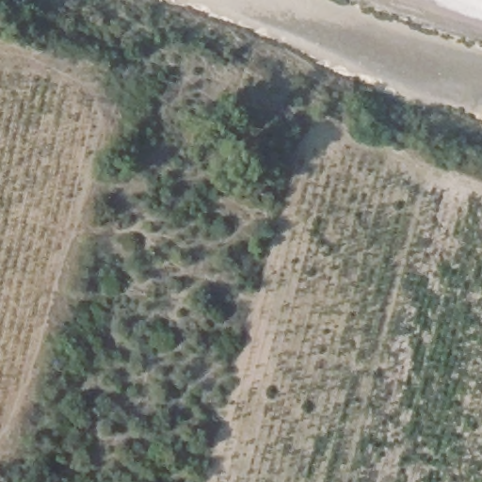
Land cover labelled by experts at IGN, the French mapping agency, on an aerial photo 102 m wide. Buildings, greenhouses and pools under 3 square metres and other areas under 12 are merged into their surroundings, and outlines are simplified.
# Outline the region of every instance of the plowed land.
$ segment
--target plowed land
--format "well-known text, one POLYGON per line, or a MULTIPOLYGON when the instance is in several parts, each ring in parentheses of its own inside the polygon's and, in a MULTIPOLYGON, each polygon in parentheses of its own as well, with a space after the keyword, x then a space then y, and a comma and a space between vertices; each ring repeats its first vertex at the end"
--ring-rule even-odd
POLYGON ((459 171, 435 168, 414 151, 367 145, 354 139, 352 145, 358 145, 363 151, 384 153, 386 160, 380 169, 380 175, 384 177, 390 171, 403 171, 405 177, 420 185, 420 188, 437 188, 442 190, 442 194, 448 192, 450 196, 461 201, 469 200, 471 194, 476 194, 482 201, 482 181, 463 175, 459 171))
POLYGON ((350 128, 343 132, 328 122, 313 122, 309 134, 303 141, 305 154, 311 160, 303 166, 303 173, 313 173, 313 158, 326 153, 329 143, 341 139, 341 136, 350 136, 350 128))

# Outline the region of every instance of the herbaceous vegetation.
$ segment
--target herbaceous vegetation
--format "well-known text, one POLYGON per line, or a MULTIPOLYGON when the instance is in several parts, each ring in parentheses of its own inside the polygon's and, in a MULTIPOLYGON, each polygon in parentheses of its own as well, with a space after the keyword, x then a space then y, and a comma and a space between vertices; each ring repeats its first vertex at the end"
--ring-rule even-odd
POLYGON ((168 45, 147 56, 145 62, 145 73, 153 73, 153 64, 181 68, 183 73, 179 83, 169 87, 164 94, 154 92, 154 98, 160 100, 162 105, 162 120, 175 120, 175 132, 183 134, 186 149, 181 149, 179 153, 188 156, 194 166, 200 166, 198 153, 201 145, 215 143, 215 139, 209 136, 209 130, 215 120, 209 120, 209 115, 213 115, 217 107, 215 100, 220 98, 224 90, 237 92, 235 105, 241 115, 247 115, 247 124, 243 130, 250 132, 252 136, 262 136, 265 151, 269 153, 267 168, 281 169, 281 173, 286 173, 288 164, 294 162, 294 153, 301 145, 297 136, 292 134, 292 126, 286 117, 290 105, 294 105, 294 100, 290 98, 292 88, 288 79, 282 75, 262 81, 256 83, 254 79, 250 79, 250 70, 245 64, 215 64, 213 53, 205 49, 203 43, 168 45))
POLYGON ((168 320, 179 328, 183 324, 183 316, 179 311, 185 305, 186 297, 200 290, 205 282, 224 284, 228 281, 228 273, 209 273, 209 267, 213 264, 207 256, 198 264, 190 265, 185 264, 177 252, 171 250, 168 260, 154 262, 154 267, 177 267, 177 271, 183 277, 194 277, 194 282, 186 286, 185 290, 169 294, 171 309, 168 311, 168 320))
POLYGON ((239 224, 235 232, 217 239, 207 239, 198 235, 194 239, 196 247, 215 249, 224 243, 226 247, 230 247, 249 235, 256 220, 269 218, 269 209, 254 207, 249 201, 239 200, 239 192, 232 190, 232 196, 218 200, 217 213, 237 217, 239 224))
POLYGON ((53 352, 60 350, 60 343, 64 341, 64 337, 58 335, 58 328, 72 318, 70 305, 75 305, 83 299, 98 299, 102 303, 107 301, 107 297, 100 294, 100 290, 87 292, 88 267, 92 265, 94 258, 109 260, 113 254, 120 254, 122 258, 134 256, 132 250, 124 249, 119 243, 120 235, 126 233, 141 233, 145 237, 147 247, 156 247, 160 241, 171 241, 173 237, 177 237, 175 230, 151 232, 151 222, 156 215, 149 211, 145 201, 139 201, 137 207, 132 207, 137 215, 136 224, 124 228, 120 228, 119 224, 102 226, 102 232, 90 235, 79 247, 79 269, 72 279, 72 286, 66 292, 56 292, 55 303, 49 316, 49 329, 43 339, 53 352))
POLYGON ((36 377, 36 401, 34 405, 23 407, 21 410, 21 446, 13 459, 24 459, 24 469, 32 465, 36 461, 32 454, 32 442, 36 437, 36 431, 45 427, 56 427, 55 416, 60 409, 49 403, 56 392, 47 382, 49 373, 40 373, 36 377))

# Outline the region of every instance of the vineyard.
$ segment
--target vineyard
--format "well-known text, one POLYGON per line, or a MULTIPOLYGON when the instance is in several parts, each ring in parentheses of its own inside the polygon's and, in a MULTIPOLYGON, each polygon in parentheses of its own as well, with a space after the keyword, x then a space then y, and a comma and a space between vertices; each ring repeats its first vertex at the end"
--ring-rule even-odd
POLYGON ((94 162, 98 158, 98 151, 107 149, 117 136, 122 115, 117 105, 107 102, 102 87, 109 66, 107 62, 92 62, 87 58, 72 62, 70 58, 56 58, 47 51, 38 51, 17 41, 0 40, 0 461, 13 459, 21 446, 21 410, 23 407, 34 405, 36 401, 36 377, 40 373, 49 373, 47 360, 53 352, 43 339, 49 329, 49 316, 55 303, 56 292, 66 292, 72 286, 72 279, 79 269, 79 247, 90 235, 102 232, 102 226, 92 224, 92 203, 96 196, 92 192, 92 181, 96 179, 94 162))
POLYGON ((354 139, 350 136, 341 136, 341 139, 329 143, 326 153, 313 158, 313 173, 303 173, 292 177, 294 192, 288 196, 288 205, 284 207, 284 218, 290 220, 290 228, 282 233, 282 243, 269 250, 269 256, 265 258, 264 286, 256 292, 254 301, 250 303, 249 343, 235 360, 239 384, 228 397, 228 405, 217 412, 230 427, 230 437, 217 442, 217 446, 213 448, 213 456, 222 461, 222 471, 213 474, 207 482, 482 482, 482 201, 476 194, 471 194, 469 200, 461 201, 450 196, 448 192, 442 194, 442 190, 437 188, 420 188, 420 185, 405 177, 403 171, 390 171, 384 177, 380 175, 380 169, 386 160, 384 153, 363 151, 358 145, 352 145, 354 139))

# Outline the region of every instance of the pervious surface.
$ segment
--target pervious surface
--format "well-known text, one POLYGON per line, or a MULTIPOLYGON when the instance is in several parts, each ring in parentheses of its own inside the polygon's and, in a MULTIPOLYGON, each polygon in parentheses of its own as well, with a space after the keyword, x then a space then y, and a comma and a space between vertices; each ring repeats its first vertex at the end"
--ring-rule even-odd
POLYGON ((382 21, 373 15, 367 15, 361 11, 360 6, 341 6, 331 0, 164 0, 175 6, 200 9, 209 17, 252 28, 256 34, 265 38, 290 43, 316 58, 318 64, 326 66, 329 70, 346 77, 358 77, 369 85, 377 85, 380 90, 401 96, 405 102, 461 107, 467 113, 473 113, 476 119, 482 120, 482 0, 365 0, 371 8, 378 11, 397 13, 401 19, 410 19, 442 34, 450 34, 450 40, 442 40, 437 36, 427 36, 418 30, 412 30, 407 24, 382 21))

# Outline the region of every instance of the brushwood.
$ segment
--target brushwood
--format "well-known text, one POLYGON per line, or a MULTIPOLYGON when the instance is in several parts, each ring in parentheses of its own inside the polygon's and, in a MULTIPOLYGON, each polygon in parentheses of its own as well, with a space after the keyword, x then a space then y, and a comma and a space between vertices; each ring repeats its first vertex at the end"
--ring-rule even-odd
POLYGON ((369 113, 373 128, 409 134, 418 141, 424 141, 426 145, 431 139, 441 137, 448 145, 448 149, 456 151, 458 147, 471 147, 476 153, 482 154, 482 120, 476 119, 473 113, 467 113, 461 107, 405 102, 401 96, 380 90, 377 85, 369 85, 358 77, 346 77, 329 70, 326 66, 318 64, 316 58, 290 43, 265 38, 256 34, 252 28, 209 17, 200 9, 175 6, 164 0, 107 0, 109 9, 115 9, 119 17, 126 19, 136 30, 143 30, 145 34, 149 34, 153 26, 154 30, 160 32, 162 28, 166 30, 171 26, 194 26, 201 23, 205 24, 207 30, 217 30, 224 34, 228 40, 233 41, 235 47, 247 43, 252 51, 245 55, 245 64, 250 70, 250 79, 254 79, 256 83, 262 81, 264 72, 258 68, 258 58, 277 58, 284 62, 286 70, 290 73, 309 73, 318 83, 314 88, 316 94, 326 94, 326 87, 329 85, 341 85, 345 94, 352 92, 354 98, 369 113))
POLYGON ((151 115, 151 100, 154 98, 154 92, 164 94, 169 87, 179 83, 183 73, 181 68, 153 64, 153 73, 145 73, 145 62, 134 60, 134 66, 126 68, 109 66, 102 87, 107 102, 117 105, 122 115, 117 136, 128 137, 132 132, 136 132, 137 122, 151 115))
POLYGON ((450 40, 450 34, 442 34, 410 19, 401 19, 397 13, 378 11, 371 8, 365 0, 331 0, 341 6, 360 6, 361 11, 367 15, 373 15, 382 21, 407 24, 412 30, 418 30, 427 36, 437 36, 442 40, 450 40))

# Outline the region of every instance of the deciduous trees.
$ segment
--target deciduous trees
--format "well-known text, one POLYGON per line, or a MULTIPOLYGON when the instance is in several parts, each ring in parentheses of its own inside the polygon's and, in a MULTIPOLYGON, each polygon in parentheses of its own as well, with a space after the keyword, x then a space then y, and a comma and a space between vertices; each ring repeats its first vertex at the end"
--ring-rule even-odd
POLYGON ((309 73, 290 73, 286 70, 284 62, 277 58, 258 58, 258 68, 264 72, 262 81, 282 75, 288 79, 292 88, 290 98, 294 100, 294 105, 290 105, 286 117, 292 126, 292 134, 297 136, 301 145, 294 153, 294 162, 288 164, 286 173, 281 173, 281 169, 267 168, 269 153, 265 151, 262 136, 252 136, 250 132, 243 130, 247 124, 247 115, 241 115, 235 105, 237 92, 224 90, 220 98, 215 100, 217 107, 213 115, 209 115, 209 120, 215 120, 209 130, 209 136, 215 139, 215 143, 201 145, 198 153, 200 166, 194 166, 188 156, 179 153, 181 149, 186 149, 183 134, 175 132, 175 120, 162 120, 162 105, 160 100, 154 98, 151 100, 151 115, 137 122, 136 132, 132 132, 128 137, 117 136, 107 149, 98 151, 98 158, 94 162, 96 179, 92 181, 92 192, 96 196, 92 203, 92 224, 102 226, 119 224, 120 228, 124 228, 136 224, 137 215, 132 207, 137 207, 139 201, 145 201, 149 211, 156 215, 151 222, 151 232, 175 230, 177 237, 173 237, 171 241, 160 241, 156 247, 147 247, 145 237, 141 233, 126 233, 120 235, 119 243, 124 249, 132 250, 134 256, 122 258, 120 254, 113 254, 109 260, 94 258, 92 265, 88 267, 87 292, 100 290, 100 294, 107 297, 107 301, 102 303, 98 299, 83 299, 75 305, 70 305, 72 318, 58 328, 58 335, 64 337, 64 341, 60 343, 60 350, 53 352, 47 360, 49 373, 47 382, 56 392, 49 403, 60 409, 55 416, 56 427, 45 427, 36 431, 36 437, 32 442, 32 454, 36 461, 32 465, 24 469, 24 459, 13 459, 0 461, 0 482, 207 482, 213 474, 222 471, 222 461, 213 456, 213 448, 217 446, 217 442, 230 437, 230 427, 217 412, 228 405, 228 397, 239 384, 235 360, 249 343, 250 303, 254 301, 256 292, 264 286, 265 258, 269 256, 269 250, 282 243, 282 233, 290 228, 290 220, 284 218, 284 207, 288 205, 288 196, 294 192, 292 177, 303 173, 303 166, 311 160, 305 154, 303 141, 309 134, 313 122, 328 122, 343 132, 350 128, 350 136, 354 139, 367 145, 414 151, 435 168, 459 171, 463 175, 482 181, 482 154, 476 153, 471 147, 458 147, 456 151, 448 149, 448 145, 441 137, 431 139, 426 145, 424 141, 418 141, 409 134, 373 128, 369 113, 354 98, 352 92, 345 94, 341 85, 329 85, 326 87, 326 94, 316 94, 314 88, 318 83, 309 73), (239 192, 239 200, 249 201, 254 207, 269 209, 269 218, 256 220, 249 235, 230 247, 226 247, 224 243, 215 249, 196 247, 194 239, 198 235, 207 239, 217 239, 235 232, 239 224, 237 217, 217 213, 218 200, 232 196, 232 190, 239 192), (154 267, 154 262, 168 260, 171 250, 177 252, 185 264, 190 265, 198 264, 207 256, 213 264, 209 267, 209 273, 228 273, 228 281, 224 284, 205 282, 200 290, 186 297, 185 305, 179 311, 183 316, 183 324, 179 328, 168 320, 168 311, 171 309, 169 294, 185 290, 186 286, 194 282, 194 277, 183 277, 177 271, 177 267, 154 267))
POLYGON ((252 51, 247 43, 235 47, 233 41, 228 40, 224 34, 217 30, 207 30, 205 24, 201 23, 194 26, 171 26, 166 30, 162 28, 160 32, 154 30, 153 26, 149 34, 145 34, 143 30, 136 30, 126 19, 119 17, 115 9, 109 9, 107 0, 0 0, 0 40, 17 41, 38 51, 47 51, 56 58, 70 58, 72 62, 87 58, 92 62, 107 62, 109 66, 126 68, 134 66, 134 60, 145 62, 147 56, 168 45, 203 43, 205 49, 213 53, 215 64, 245 64, 245 55, 252 51))

